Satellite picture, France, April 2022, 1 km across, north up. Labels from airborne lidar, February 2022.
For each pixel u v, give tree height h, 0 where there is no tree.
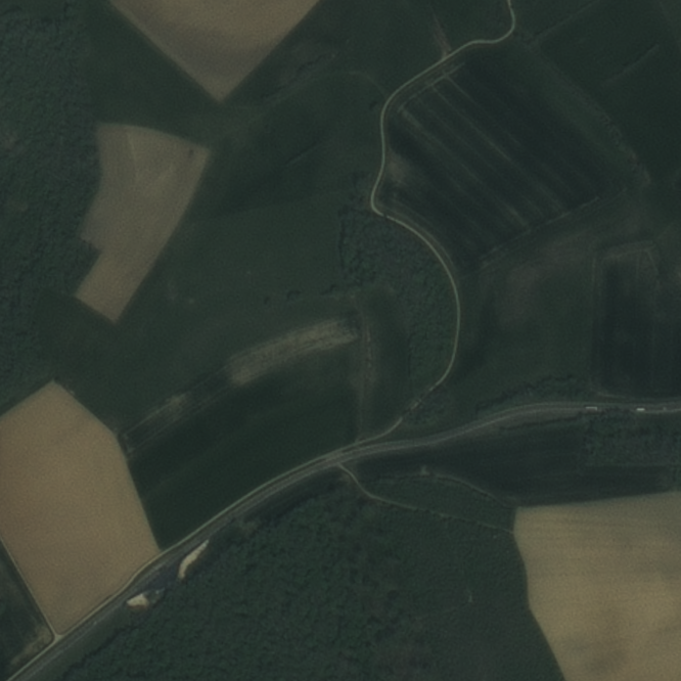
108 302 0
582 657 0
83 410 0
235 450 0
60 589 0
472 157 0
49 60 16
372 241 20
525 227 0
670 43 0
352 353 0
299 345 0
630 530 0
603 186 0
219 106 0
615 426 20
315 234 0
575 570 0
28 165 11
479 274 0
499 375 0
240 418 0
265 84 0
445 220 0
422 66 0
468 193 0
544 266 0
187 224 0
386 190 0
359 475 0
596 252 0
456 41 0
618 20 0
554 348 0
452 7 0
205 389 0
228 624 23
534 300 0
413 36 0
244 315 0
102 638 0
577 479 0
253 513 0
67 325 0
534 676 7
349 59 0
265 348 0
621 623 0
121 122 0
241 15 0
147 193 0
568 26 0
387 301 0
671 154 0
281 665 25
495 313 0
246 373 0
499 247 0
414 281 24
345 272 17
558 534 0
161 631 19
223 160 0
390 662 0
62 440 0
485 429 0
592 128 0
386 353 0
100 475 0
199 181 0
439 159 0
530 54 0
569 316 0
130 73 0
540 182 0
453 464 0
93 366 0
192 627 20
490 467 0
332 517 21
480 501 6
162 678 24
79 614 0
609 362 0
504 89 0
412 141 0
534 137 0
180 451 0
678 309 0
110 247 0
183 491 0
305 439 0
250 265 0
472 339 0
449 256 0
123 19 0
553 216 0
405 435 0
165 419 0
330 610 30
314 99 0
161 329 0
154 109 0
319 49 0
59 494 0
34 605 0
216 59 0
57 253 24
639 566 0
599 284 0
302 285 0
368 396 0
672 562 0
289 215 0
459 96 0
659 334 0
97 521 0
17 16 21
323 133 0
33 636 0
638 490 0
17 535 0
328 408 0
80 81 23
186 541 0
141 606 0
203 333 0
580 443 0
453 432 0
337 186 0
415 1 0
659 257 0
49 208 17
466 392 0
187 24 0
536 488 0
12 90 19
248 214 0
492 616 8
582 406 0
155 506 0
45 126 21
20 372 20
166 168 0
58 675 0
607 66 0
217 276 0
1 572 0
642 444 29
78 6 17
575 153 0
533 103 0
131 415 0
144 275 0
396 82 0
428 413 21
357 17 0
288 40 0
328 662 29
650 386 0
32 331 14
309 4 0
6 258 14
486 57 0
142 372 0
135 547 0
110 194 0
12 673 0
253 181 0
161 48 0
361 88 0
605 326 0
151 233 0
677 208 0
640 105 0
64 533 0
